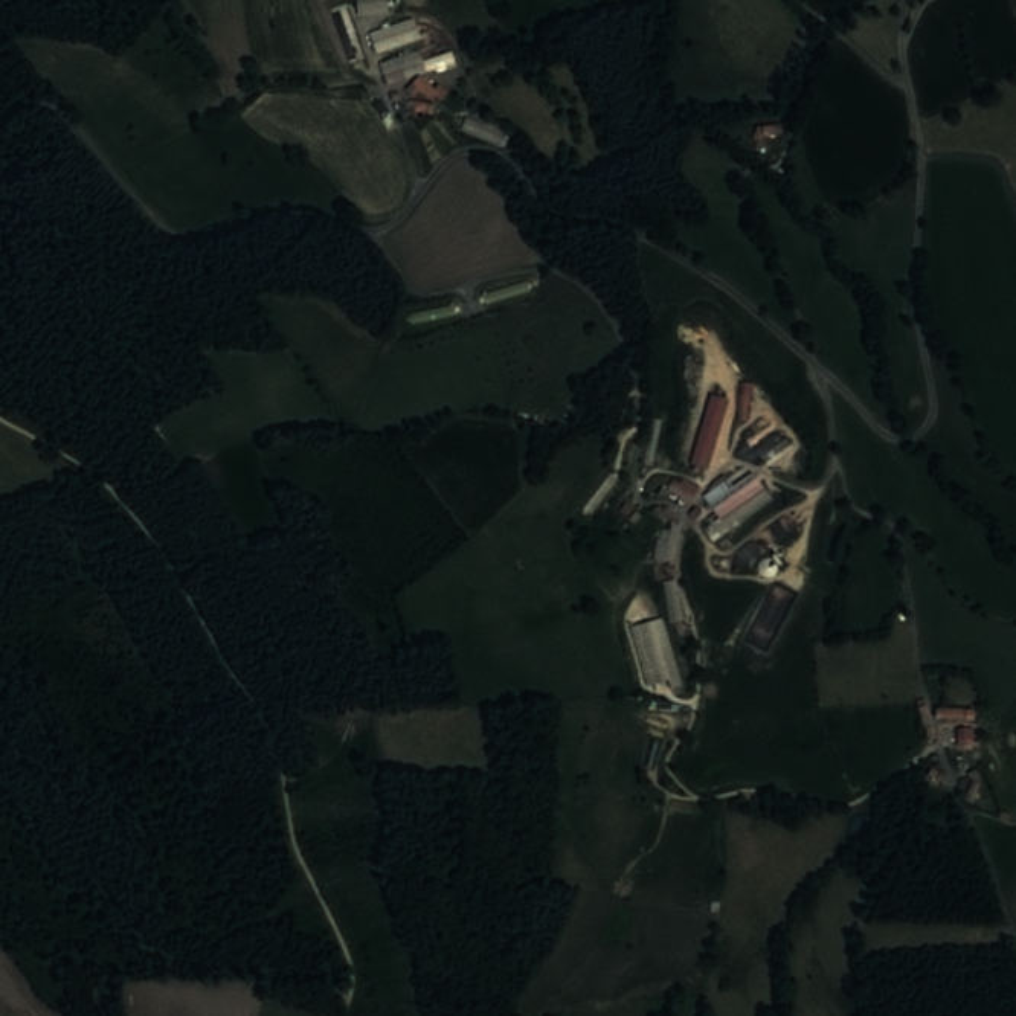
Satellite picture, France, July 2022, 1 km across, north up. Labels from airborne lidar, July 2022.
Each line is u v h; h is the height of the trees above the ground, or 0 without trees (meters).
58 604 17
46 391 27
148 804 7
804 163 0
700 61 0
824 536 0
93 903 23
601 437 12
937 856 14
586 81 25
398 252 0
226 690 20
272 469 0
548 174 31
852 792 0
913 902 15
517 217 16
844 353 0
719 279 0
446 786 13
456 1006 22
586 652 0
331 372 0
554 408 0
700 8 0
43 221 30
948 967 16
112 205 26
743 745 0
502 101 0
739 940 0
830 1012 0
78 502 23
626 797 0
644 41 28
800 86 23
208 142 0
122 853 27
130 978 15
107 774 13
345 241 28
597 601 15
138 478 24
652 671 0
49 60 0
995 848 0
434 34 0
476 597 0
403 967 0
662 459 0
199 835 16
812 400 0
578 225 28
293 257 30
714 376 0
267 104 0
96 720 6
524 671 0
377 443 9
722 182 0
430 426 18
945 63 0
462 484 0
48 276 29
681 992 19
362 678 23
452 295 0
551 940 28
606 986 0
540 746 29
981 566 0
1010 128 0
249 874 19
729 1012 0
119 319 26
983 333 0
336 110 0
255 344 15
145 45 0
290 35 0
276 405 0
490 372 0
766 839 0
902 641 0
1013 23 0
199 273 22
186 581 29
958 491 21
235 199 0
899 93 0
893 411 11
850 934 17
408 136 0
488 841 27
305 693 27
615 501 7
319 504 28
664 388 0
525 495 0
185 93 0
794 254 0
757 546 0
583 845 0
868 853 8
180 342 20
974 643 0
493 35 12
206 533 20
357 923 0
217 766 28
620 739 0
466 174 0
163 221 0
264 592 21
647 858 0
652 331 20
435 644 31
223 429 0
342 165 0
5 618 24
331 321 0
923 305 21
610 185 32
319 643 24
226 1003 0
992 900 13
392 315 33
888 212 0
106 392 25
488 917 24
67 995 22
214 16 0
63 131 23
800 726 0
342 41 0
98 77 0
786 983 22
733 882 0
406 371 0
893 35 0
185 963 12
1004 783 0
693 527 0
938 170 0
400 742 0
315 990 21
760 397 0
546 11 0
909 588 0
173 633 23
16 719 29
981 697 7
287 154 13
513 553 0
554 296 0
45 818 23
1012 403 0
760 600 0
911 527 17
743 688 0
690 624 0
